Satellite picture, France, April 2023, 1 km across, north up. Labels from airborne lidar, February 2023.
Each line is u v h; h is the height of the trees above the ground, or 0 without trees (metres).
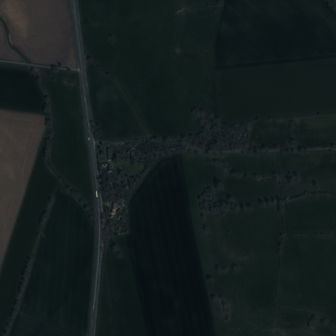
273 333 0
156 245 0
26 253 0
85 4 0
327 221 0
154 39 0
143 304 0
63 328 0
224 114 0
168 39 0
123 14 0
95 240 0
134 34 0
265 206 13
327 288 0
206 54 0
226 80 0
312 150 0
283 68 0
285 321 0
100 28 0
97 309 0
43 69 0
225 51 0
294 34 0
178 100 0
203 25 0
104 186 19
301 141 0
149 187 0
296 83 0
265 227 0
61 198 0
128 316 0
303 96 0
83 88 0
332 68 0
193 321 0
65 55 0
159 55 0
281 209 18
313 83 0
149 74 0
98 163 8
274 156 0
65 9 0
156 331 0
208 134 20
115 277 0
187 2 0
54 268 0
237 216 0
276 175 19
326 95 0
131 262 0
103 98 0
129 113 0
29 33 0
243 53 0
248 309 0
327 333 0
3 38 0
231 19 0
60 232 0
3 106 0
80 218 0
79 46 0
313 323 20
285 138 0
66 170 0
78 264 0
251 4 0
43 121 0
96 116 0
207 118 0
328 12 0
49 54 0
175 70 0
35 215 0
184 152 18
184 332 0
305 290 0
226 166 22
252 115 0
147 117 0
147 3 0
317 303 0
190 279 0
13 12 0
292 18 0
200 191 0
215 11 0
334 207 0
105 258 0
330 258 0
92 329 0
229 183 0
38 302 0
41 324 0
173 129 0
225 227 0
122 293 0
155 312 0
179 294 0
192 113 11
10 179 0
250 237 0
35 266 0
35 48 0
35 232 0
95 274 0
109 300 0
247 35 0
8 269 0
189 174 0
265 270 0
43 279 0
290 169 0
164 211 0
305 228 0
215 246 0
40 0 0
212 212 14
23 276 21
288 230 0
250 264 0
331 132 0
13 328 0
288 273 0
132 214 0
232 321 0
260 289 0
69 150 0
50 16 0
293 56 0
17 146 0
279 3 0
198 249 0
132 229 0
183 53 0
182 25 0
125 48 0
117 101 0
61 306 0
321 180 0
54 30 0
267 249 0
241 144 20
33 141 0
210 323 0
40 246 0
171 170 0
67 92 0
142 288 0
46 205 0
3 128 0
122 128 0
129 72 0
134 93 0
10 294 0
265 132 0
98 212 0
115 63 0
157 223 0
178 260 0
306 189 0
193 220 0
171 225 0
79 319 0
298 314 0
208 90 0
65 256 0
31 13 0
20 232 0
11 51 0
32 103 0
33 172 0
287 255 0
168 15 0
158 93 0
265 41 0
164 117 0
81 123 0
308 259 0
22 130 0
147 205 0
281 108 0
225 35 0
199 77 0
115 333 0
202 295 0
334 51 0
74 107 0
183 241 0
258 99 0
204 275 0
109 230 18
